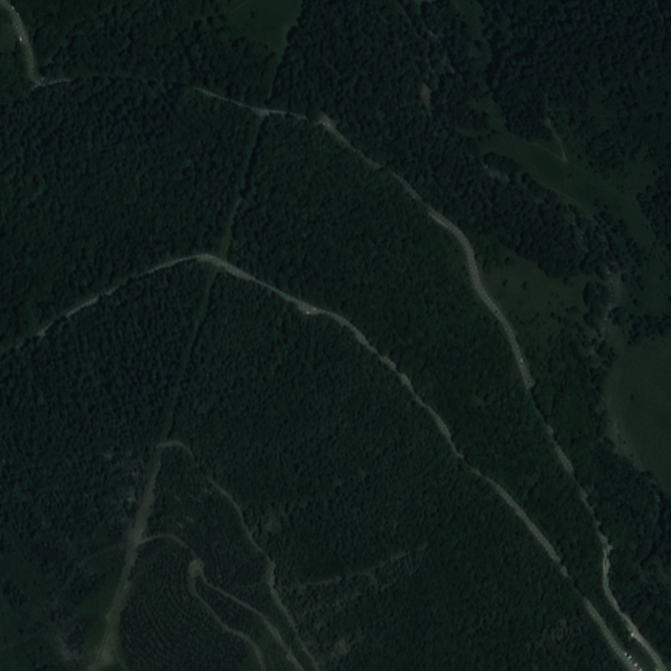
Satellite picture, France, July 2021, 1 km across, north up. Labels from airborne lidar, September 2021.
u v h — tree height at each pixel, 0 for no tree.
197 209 24
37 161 27
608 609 12
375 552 20
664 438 0
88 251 23
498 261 10
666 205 12
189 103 17
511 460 23
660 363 0
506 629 18
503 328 11
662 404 0
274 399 22
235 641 6
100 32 21
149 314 21
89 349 14
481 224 24
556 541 11
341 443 18
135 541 0
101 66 20
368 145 27
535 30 25
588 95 22
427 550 10
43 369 23
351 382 11
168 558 6
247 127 25
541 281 0
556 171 0
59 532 6
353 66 21
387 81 29
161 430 9
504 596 17
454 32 24
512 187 24
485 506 18
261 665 0
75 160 22
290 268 26
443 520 13
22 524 6
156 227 21
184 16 18
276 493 16
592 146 23
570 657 17
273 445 13
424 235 20
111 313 15
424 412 20
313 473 14
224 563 10
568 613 16
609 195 0
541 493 21
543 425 21
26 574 0
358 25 28
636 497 24
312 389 13
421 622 12
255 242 14
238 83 24
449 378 22
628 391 0
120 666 0
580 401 22
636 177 0
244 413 15
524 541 19
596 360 10
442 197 22
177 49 21
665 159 9
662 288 0
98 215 22
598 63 9
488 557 17
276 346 21
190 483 12
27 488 9
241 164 25
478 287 0
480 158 13
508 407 21
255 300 15
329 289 17
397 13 17
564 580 13
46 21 17
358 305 18
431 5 23
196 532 6
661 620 23
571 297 0
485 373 22
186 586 7
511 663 15
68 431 21
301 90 33
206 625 8
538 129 18
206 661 5
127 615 7
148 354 15
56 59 30
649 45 26
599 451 21
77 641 7
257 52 20
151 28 24
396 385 11
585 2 25
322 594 13
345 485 10
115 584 0
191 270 16
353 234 22
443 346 21
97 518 8
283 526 10
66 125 23
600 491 18
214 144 23
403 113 22
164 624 6
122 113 30
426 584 9
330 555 8
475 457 26
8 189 21
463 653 8
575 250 27
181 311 15
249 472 13
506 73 28
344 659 8
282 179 30
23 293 23
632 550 17
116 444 15
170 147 24
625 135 9
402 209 20
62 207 11
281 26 0
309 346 16
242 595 9
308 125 23
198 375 23
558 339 6
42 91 22
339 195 18
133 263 24
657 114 10
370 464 13
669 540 22
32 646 0
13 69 21
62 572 8
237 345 22
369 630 13
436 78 55
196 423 8
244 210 18
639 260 16
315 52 25
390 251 18
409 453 9
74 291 28
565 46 27
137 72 20
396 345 21
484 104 0
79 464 8
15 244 22
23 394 17
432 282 20
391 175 22
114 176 19
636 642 12
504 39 27
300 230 27
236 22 0
